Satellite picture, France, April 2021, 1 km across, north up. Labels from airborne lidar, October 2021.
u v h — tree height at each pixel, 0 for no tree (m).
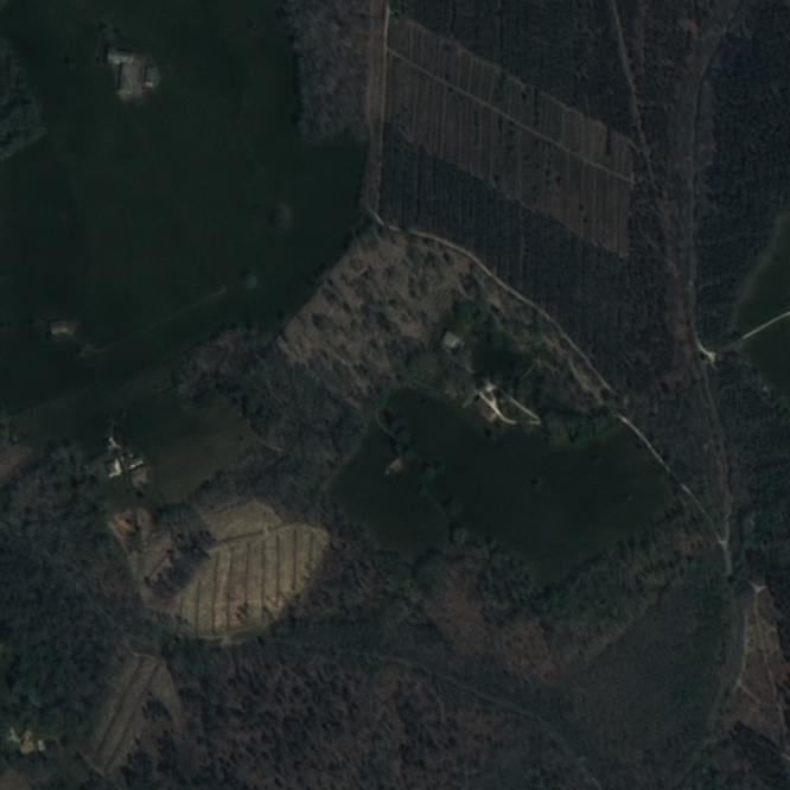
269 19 0
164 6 0
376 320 17
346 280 13
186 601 0
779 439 15
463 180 10
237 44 0
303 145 0
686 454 14
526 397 6
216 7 0
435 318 0
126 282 0
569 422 22
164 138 0
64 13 0
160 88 0
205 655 16
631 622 22
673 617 15
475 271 12
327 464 10
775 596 15
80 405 0
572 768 13
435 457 0
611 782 15
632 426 9
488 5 11
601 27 14
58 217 0
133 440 0
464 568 18
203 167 0
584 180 0
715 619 11
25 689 21
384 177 10
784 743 12
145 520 0
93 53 0
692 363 11
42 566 29
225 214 0
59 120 0
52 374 0
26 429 0
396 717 6
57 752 18
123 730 0
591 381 18
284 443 12
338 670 13
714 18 7
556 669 5
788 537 12
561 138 0
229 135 0
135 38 0
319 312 0
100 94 0
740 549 12
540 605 26
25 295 0
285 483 23
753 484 20
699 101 10
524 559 0
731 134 22
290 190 0
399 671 11
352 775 10
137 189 0
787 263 0
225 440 0
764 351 0
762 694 9
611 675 11
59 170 0
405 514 0
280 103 0
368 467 0
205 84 0
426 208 11
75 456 19
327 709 20
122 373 0
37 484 21
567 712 21
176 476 0
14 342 0
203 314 0
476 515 0
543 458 0
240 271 0
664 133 16
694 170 9
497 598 24
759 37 21
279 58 0
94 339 0
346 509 0
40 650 19
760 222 15
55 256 0
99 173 0
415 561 0
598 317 12
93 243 0
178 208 0
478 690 20
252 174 0
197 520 22
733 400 16
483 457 0
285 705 20
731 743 10
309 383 26
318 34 20
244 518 0
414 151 9
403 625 10
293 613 9
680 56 13
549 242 11
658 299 12
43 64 0
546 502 0
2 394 0
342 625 12
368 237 18
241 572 0
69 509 17
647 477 0
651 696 12
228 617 17
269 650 19
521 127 0
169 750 17
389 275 12
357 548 26
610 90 12
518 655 9
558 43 9
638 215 12
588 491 0
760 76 21
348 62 12
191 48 0
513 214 12
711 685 15
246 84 0
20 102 8
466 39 8
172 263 0
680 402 12
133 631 19
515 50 10
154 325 0
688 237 13
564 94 9
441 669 19
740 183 20
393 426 25
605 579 22
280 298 0
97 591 16
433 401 0
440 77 0
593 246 8
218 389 10
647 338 15
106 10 0
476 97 0
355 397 16
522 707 17
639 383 13
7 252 0
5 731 22
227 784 6
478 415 0
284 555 0
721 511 14
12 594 26
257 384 8
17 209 0
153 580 0
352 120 15
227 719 22
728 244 15
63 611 29
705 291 13
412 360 20
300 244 0
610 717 10
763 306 0
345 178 0
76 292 0
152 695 0
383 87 0
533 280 12
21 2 0
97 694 12
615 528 0
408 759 19
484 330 15
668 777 11
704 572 14
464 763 11
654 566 23
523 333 21
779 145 20
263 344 19
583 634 20
